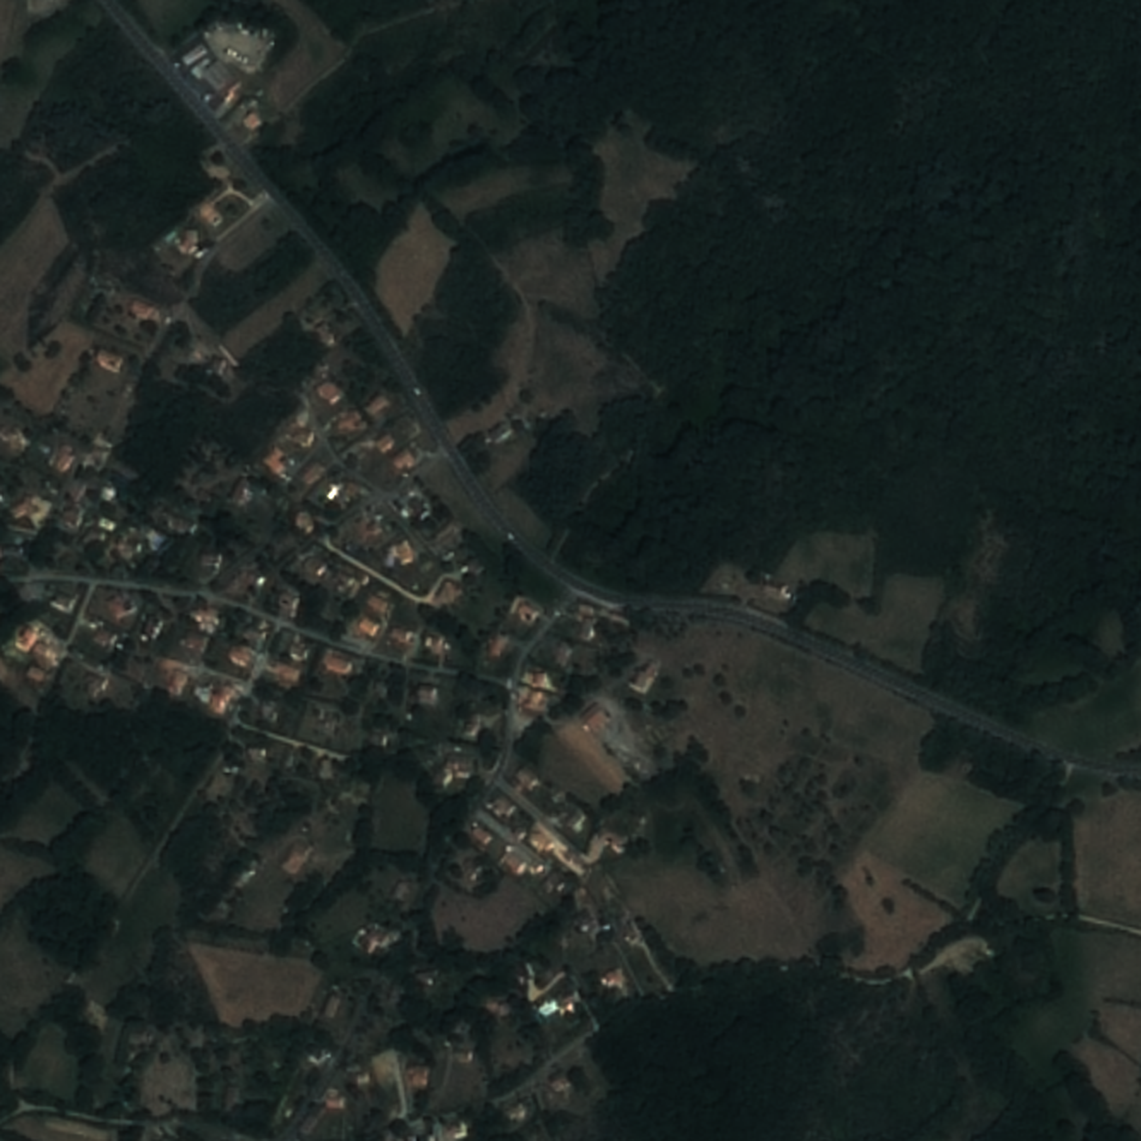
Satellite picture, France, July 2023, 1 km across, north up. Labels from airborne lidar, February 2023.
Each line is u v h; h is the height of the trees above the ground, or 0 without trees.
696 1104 13
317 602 11
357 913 0
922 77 16
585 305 0
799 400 20
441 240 0
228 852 7
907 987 10
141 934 0
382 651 0
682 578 14
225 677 0
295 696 9
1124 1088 0
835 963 12
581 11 8
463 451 11
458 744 12
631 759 0
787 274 17
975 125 20
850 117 17
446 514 12
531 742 12
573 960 0
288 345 8
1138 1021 0
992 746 10
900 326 20
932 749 12
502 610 20
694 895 0
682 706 9
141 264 0
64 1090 0
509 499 0
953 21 19
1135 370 18
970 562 0
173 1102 8
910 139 13
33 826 0
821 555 0
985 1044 18
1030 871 0
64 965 13
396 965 14
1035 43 18
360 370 7
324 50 0
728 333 17
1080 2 17
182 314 0
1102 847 0
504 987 18
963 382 13
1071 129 23
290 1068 10
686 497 9
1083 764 0
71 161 10
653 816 0
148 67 8
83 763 13
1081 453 23
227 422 6
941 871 0
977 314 6
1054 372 21
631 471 7
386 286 0
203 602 12
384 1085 0
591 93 20
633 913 0
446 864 10
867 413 13
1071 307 10
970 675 11
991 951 0
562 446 16
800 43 17
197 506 9
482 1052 10
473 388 6
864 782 0
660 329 14
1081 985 0
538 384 0
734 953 0
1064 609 7
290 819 11
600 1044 12
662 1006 10
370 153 17
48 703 10
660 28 20
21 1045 13
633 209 0
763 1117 13
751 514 14
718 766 0
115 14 0
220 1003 0
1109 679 7
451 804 16
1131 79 23
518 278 0
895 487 6
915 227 21
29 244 0
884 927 0
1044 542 10
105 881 0
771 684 0
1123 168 8
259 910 0
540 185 0
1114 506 13
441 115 0
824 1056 8
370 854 14
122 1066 9
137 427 9
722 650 0
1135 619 17
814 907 0
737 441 19
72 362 0
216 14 13
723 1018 11
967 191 23
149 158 7
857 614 0
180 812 0
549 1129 8
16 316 0
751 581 11
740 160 16
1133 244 9
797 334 18
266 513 0
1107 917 0
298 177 0
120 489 8
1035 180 25
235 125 0
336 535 12
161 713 7
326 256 0
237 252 0
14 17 0
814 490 10
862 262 20
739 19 16
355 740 0
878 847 0
